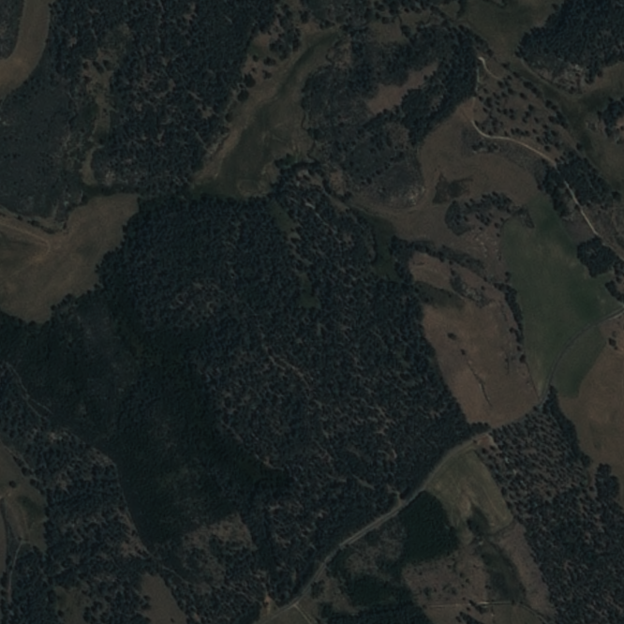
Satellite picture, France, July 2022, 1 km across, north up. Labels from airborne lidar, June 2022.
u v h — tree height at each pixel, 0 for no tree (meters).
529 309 0
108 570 17
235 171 0
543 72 0
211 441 9
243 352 10
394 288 23
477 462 0
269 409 25
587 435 0
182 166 14
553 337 0
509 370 0
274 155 0
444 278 0
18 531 0
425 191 0
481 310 0
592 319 0
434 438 18
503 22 0
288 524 18
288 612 0
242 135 0
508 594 0
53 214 0
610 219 0
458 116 0
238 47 21
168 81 12
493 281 0
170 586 11
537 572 0
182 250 20
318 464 25
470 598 0
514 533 0
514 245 0
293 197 16
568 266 0
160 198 7
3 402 15
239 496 22
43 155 6
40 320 0
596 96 0
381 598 7
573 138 0
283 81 0
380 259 7
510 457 14
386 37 0
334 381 21
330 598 0
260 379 10
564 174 17
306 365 19
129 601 18
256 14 22
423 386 19
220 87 24
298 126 0
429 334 0
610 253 16
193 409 11
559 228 0
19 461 13
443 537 10
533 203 0
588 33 16
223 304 9
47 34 0
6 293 0
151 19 15
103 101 0
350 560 0
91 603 0
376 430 15
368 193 0
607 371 0
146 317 15
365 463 11
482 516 0
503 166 0
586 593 16
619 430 0
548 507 17
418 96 14
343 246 13
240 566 16
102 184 0
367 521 13
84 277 0
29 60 0
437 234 0
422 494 10
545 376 0
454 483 0
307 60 0
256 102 0
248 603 16
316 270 22
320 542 24
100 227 0
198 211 7
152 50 17
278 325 15
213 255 17
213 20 24
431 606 0
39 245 0
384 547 0
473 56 16
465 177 0
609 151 0
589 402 0
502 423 0
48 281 0
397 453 11
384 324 18
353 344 18
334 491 16
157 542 7
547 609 0
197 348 11
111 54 0
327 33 0
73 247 0
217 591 15
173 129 9
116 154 10
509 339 0
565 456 17
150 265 8
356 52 16
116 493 10
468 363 0
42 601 14
